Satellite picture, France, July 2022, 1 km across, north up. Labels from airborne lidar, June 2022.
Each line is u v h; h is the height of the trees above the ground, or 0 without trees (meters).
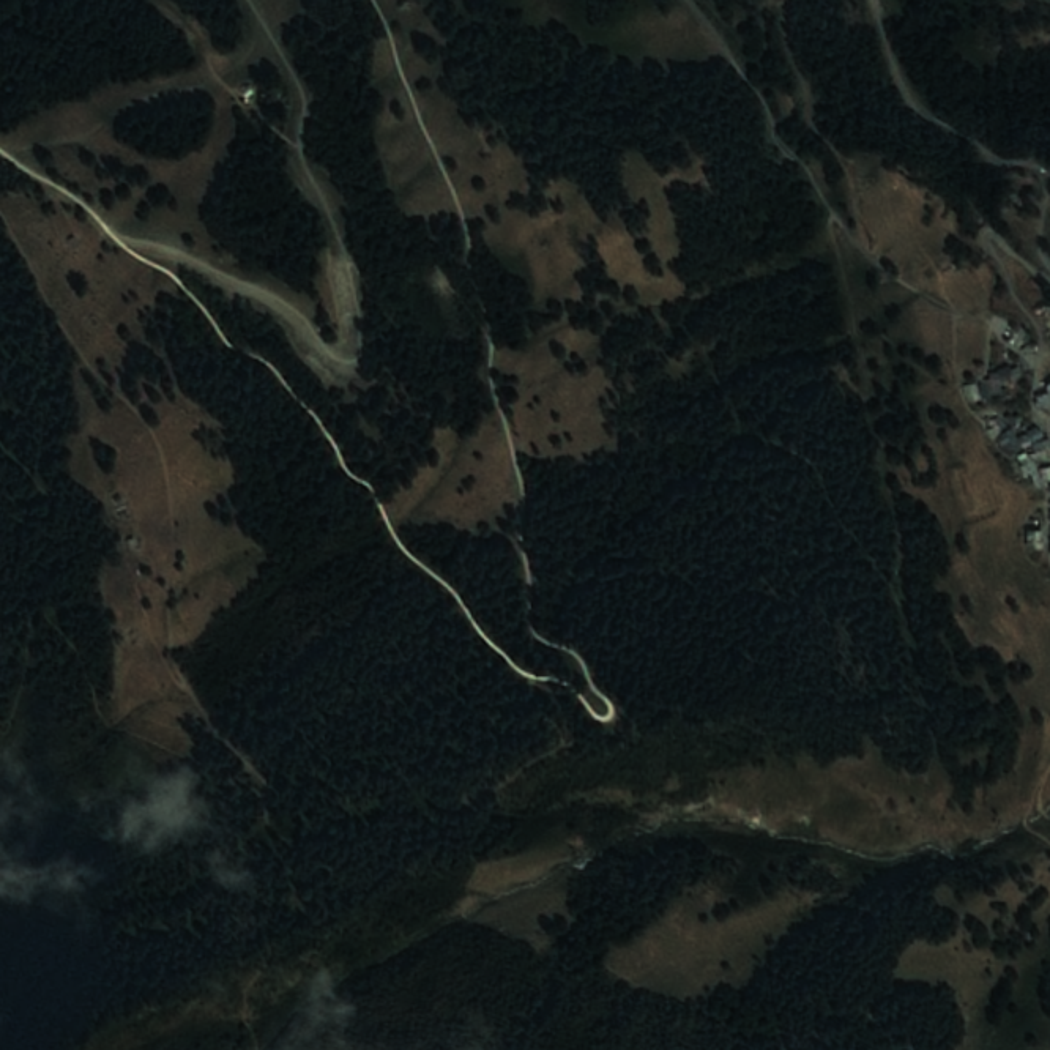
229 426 12
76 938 24
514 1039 10
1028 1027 0
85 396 0
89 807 21
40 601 22
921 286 0
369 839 30
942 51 22
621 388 11
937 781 0
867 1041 15
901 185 0
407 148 0
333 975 8
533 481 15
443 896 7
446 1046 7
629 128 20
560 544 36
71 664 15
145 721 0
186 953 32
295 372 27
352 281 0
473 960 6
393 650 32
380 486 19
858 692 20
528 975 12
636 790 8
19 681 14
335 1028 7
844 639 12
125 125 21
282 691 24
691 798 8
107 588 0
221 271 0
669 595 26
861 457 28
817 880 9
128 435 0
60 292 0
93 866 27
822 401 31
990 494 0
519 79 15
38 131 0
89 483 0
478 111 15
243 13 22
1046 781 0
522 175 0
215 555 0
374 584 13
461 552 34
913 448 14
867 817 0
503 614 29
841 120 18
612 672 26
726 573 27
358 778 30
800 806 0
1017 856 0
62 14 28
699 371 8
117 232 0
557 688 17
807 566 26
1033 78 29
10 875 6
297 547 19
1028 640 0
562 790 8
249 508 20
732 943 0
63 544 23
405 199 0
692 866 13
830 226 0
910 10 18
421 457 28
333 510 25
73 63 30
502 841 16
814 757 16
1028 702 0
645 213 18
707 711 18
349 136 25
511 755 34
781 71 20
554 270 0
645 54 0
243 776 8
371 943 7
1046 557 0
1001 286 11
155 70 18
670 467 37
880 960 29
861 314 0
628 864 14
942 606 20
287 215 17
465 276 20
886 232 0
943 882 12
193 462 0
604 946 17
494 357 0
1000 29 7
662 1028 11
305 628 9
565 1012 10
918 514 16
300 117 0
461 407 15
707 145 25
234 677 20
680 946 0
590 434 0
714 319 21
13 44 26
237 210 24
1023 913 18
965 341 0
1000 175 12
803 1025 29
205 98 23
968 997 0
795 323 25
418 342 26
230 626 5
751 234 8
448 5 21
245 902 35
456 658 14
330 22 23
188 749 0
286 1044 6
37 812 0
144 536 0
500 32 15
